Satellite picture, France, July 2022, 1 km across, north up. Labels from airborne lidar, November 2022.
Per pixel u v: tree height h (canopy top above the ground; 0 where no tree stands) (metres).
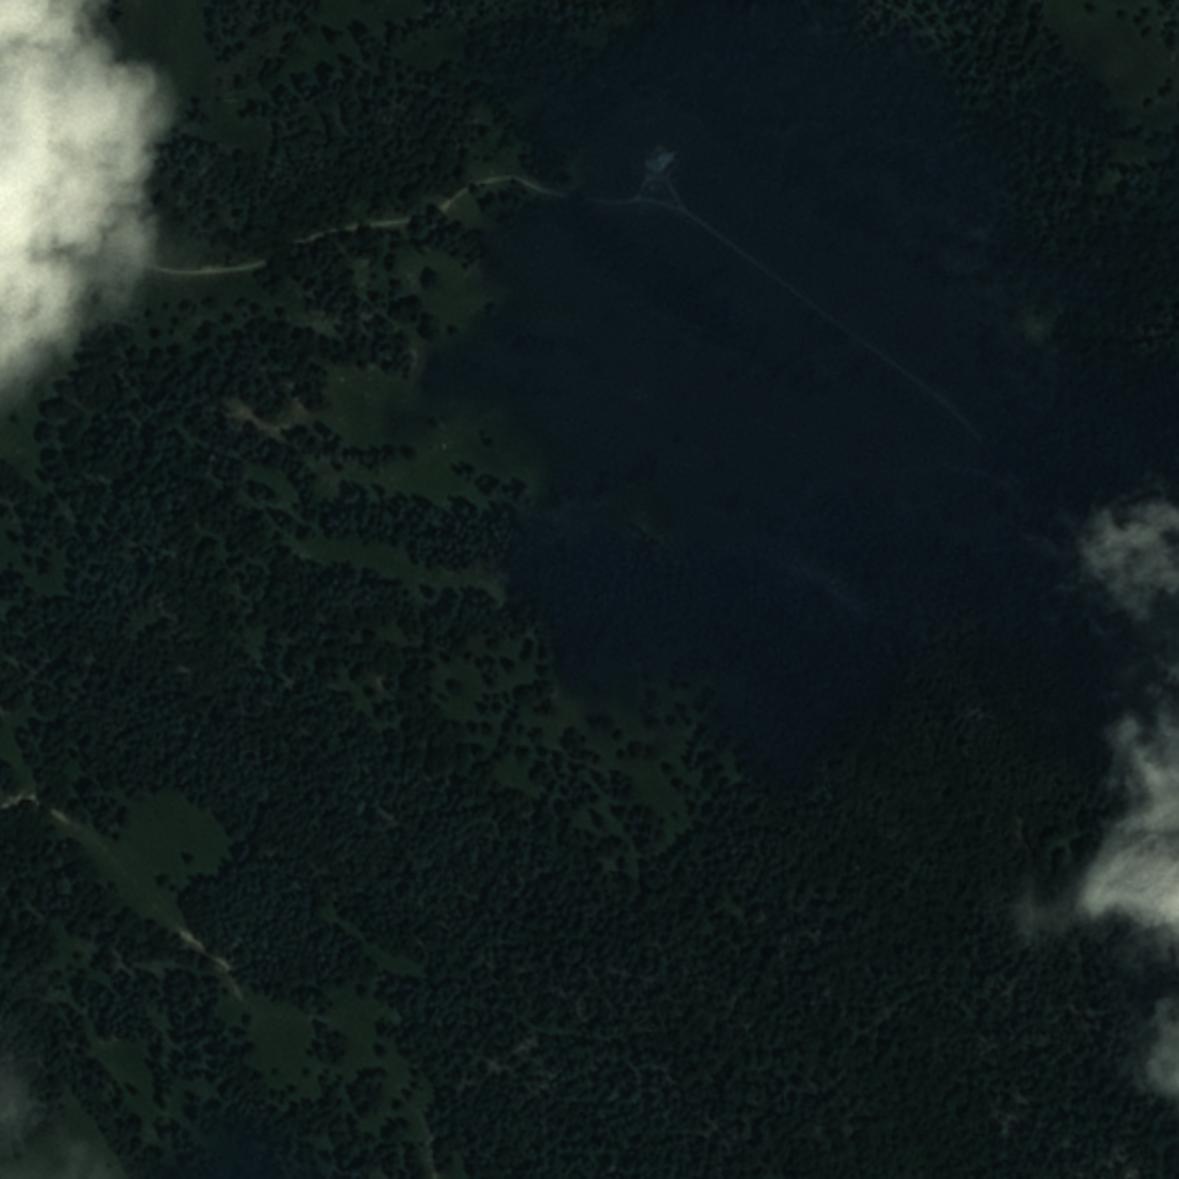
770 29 26
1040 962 20
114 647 16
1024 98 13
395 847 12
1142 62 0
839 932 22
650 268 16
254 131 0
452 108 21
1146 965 14
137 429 32
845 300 0
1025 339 8
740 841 11
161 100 0
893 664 15
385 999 14
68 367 0
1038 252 11
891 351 0
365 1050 0
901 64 8
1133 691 25
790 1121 11
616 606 13
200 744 19
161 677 23
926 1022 15
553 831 17
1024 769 21
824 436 0
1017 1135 14
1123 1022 18
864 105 8
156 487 20
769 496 0
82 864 21
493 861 22
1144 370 10
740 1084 17
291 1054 0
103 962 18
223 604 19
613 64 13
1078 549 24
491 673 14
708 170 0
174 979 20
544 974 10
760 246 0
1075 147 20
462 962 13
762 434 0
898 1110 18
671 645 14
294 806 19
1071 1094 11
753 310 0
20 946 22
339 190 25
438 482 0
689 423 0
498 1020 17
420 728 17
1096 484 11
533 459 0
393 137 10
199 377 25
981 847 19
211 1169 26
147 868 0
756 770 19
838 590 0
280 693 19
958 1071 14
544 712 10
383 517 24
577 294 0
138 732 20
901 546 16
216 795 21
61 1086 15
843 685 21
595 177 0
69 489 17
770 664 20
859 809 17
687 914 18
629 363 0
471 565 23
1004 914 13
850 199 13
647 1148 15
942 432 0
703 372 0
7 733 0
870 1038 8
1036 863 15
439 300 0
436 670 24
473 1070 14
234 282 0
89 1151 0
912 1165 25
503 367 0
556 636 19
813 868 17
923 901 16
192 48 0
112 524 18
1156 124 0
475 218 0
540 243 0
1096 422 17
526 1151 12
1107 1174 15
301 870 22
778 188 23
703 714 19
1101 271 13
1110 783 23
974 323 13
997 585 19
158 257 0
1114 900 17
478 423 0
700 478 0
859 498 12
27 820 22
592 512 0
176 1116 0
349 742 17
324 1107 17
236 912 18
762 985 19
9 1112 15
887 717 21
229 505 34
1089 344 12
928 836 20
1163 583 18
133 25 0
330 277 21
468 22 8
